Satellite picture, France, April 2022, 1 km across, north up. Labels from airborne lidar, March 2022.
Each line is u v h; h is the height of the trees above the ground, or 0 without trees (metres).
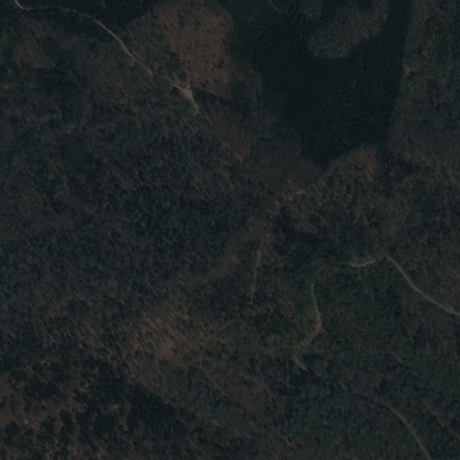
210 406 34
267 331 6
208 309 24
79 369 14
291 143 16
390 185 21
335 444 31
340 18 22
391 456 31
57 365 14
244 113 17
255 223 26
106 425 17
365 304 7
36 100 26
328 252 15
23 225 22
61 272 28
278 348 29
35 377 14
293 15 18
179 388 35
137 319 30
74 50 27
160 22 25
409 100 30
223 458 19
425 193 20
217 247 27
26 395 10
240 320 31
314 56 16
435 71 8
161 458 26
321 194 24
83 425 20
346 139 16
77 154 15
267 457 20
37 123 15
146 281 30
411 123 30
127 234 32
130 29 21
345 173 21
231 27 16
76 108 22
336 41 25
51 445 15
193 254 21
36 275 33
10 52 22
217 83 19
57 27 23
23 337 14
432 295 20
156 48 26
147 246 28
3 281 30
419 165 20
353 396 35
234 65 15
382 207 19
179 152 29
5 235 27
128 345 29
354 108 17
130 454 29
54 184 14
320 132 19
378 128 19
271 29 20
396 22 19
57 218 23
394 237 6
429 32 7
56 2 16
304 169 16
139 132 30
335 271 30
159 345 30
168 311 31
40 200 25
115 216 29
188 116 23
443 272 24
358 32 25
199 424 22
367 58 18
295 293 8
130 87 29
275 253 27
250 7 17
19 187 25
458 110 19
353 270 22
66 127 31
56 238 23
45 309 9
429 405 20
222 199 30
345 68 17
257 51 20
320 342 26
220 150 24
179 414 12
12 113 26
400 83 22
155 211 25
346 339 24
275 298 27
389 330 9
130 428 15
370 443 29
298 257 10
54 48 29
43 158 18
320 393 40
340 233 26
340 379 18
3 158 18
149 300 26
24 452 18
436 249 20
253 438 28
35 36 34
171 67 21
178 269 13
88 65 27
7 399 16
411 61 28
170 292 27
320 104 15
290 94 17
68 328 25
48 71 27
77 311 25
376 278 21
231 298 29
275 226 22
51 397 12
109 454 22
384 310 12
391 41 17
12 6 15
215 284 21
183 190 27
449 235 19
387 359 8
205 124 20
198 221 30
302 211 25
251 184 16
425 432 31
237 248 25
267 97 15
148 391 17
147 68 23
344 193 20
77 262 31
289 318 8
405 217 24
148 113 27
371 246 19
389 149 20
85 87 26
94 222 19
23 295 27
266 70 18
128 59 25
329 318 30
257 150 14
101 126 29
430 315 26
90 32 19
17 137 14
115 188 27
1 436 15
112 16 15
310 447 32
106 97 22
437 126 27
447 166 16
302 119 17
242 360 38
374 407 31
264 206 15
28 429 12
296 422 32
